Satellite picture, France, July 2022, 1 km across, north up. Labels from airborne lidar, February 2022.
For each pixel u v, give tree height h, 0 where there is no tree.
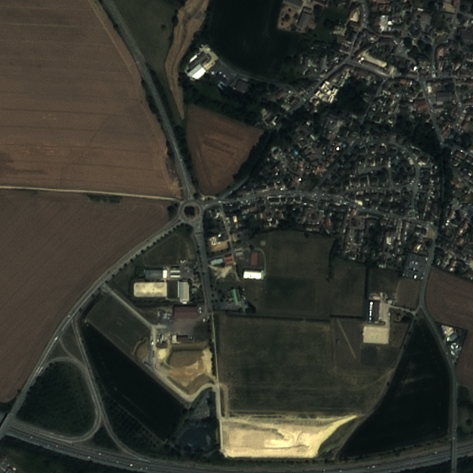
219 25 0
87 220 0
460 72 0
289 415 0
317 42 7
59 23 0
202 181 0
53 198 0
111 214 0
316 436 0
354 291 0
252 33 0
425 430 0
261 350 0
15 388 0
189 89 10
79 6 0
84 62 0
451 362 0
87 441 0
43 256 0
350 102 23
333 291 0
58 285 0
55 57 0
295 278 0
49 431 0
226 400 0
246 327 0
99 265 0
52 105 0
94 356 0
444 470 7
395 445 0
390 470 0
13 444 8
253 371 0
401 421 0
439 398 0
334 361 0
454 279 0
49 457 10
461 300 0
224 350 0
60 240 0
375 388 0
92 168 0
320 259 0
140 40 0
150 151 0
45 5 0
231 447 0
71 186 0
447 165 13
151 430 0
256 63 0
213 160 0
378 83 7
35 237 0
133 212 0
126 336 0
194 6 0
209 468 0
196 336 0
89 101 0
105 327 0
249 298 0
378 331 0
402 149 0
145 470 0
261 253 0
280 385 0
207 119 0
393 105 0
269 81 0
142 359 0
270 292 0
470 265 0
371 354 0
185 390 0
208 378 0
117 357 0
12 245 0
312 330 0
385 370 0
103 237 0
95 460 0
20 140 0
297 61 8
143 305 0
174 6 0
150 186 0
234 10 0
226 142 0
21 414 6
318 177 6
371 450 0
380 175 13
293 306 0
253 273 0
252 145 0
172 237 0
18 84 0
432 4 8
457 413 0
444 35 0
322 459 0
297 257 0
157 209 0
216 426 9
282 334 0
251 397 0
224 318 0
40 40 0
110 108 0
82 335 0
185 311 0
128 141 0
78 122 0
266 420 0
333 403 0
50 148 0
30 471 0
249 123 11
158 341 0
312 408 0
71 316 0
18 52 0
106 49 0
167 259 0
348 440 0
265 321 0
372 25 6
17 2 0
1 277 0
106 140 0
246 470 0
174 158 13
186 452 10
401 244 0
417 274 0
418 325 0
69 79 0
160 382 0
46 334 0
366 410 0
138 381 0
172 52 0
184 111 0
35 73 0
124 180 0
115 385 0
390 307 0
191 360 0
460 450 0
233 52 0
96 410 0
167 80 0
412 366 0
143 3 0
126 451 0
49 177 0
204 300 0
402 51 0
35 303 0
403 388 0
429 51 18
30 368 0
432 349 0
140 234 0
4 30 0
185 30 0
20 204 0
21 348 0
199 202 0
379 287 0
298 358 0
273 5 0
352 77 8
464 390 0
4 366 0
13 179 0
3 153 0
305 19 0
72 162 0
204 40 6
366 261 8
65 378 0
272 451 0
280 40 0
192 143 0
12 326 0
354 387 0
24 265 0
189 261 0
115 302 0
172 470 0
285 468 0
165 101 8
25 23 0
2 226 0
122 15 0
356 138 0
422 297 0
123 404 0
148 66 0
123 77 0
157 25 0
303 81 7
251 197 0
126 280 0
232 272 0
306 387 0
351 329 0
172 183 0
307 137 0
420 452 0
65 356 0
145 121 0
